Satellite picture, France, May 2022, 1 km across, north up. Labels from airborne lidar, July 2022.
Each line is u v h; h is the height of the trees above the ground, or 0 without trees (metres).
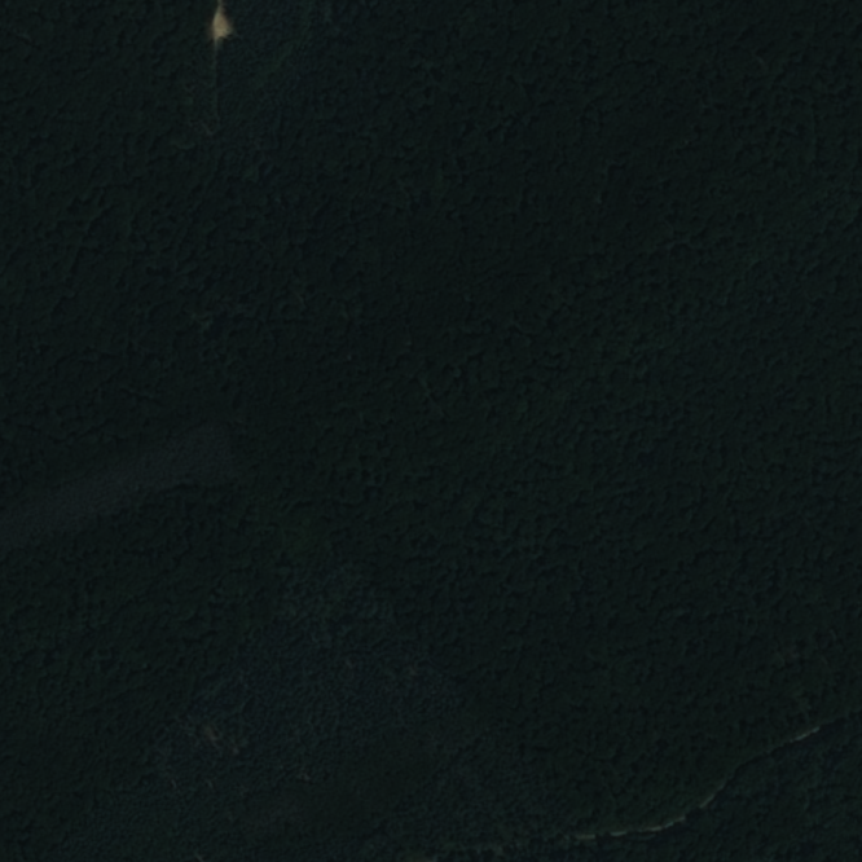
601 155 19
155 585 28
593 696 25
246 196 25
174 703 20
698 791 20
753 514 33
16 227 27
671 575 26
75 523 22
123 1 28
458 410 26
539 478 25
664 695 20
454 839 24
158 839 18
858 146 19
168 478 22
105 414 23
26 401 22
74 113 23
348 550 20
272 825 19
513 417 23
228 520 25
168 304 26
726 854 22
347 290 23
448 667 24
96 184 24
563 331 25
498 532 22
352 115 22
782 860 28
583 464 24
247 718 21
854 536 29
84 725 23
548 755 26
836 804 23
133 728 24
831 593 27
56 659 25
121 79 22
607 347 25
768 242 24
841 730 25
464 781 28
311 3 20
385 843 24
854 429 29
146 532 25
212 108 13
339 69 24
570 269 25
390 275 20
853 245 25
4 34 22
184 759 17
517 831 24
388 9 28
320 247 25
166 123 25
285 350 25
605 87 22
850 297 25
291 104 17
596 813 19
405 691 16
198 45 18
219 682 26
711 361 25
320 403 20
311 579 19
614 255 29
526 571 27
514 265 23
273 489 26
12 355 25
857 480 27
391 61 27
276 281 24
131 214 22
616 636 26
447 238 25
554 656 25
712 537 29
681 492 23
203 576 27
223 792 18
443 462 19
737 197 22
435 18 23
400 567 30
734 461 22
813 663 24
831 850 20
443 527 23
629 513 25
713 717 21
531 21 24
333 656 27
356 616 20
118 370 26
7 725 24
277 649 20
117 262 26
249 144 16
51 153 26
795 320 27
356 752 15
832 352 25
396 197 26
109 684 25
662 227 26
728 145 21
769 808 27
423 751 18
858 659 30
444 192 25
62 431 23
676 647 28
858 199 25
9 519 19
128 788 16
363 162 23
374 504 25
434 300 20
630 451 29
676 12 25
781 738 21
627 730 23
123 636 24
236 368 23
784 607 26
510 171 23
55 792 21
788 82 23
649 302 25
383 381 25
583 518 26
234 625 23
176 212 26
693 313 22
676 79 20
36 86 25
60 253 26
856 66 27
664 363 29
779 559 26
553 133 23
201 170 26
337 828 18
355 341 19
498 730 24
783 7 21
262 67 25
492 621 29
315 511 23
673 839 21
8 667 22
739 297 22
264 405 16
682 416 22
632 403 17
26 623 27
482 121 27
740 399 23
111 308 22
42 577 22
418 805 28
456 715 16
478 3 23
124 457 20
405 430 22
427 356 22
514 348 27
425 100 29
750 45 25
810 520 24
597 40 23
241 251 26
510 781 30
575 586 27
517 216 24
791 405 26
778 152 15
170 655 21
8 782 24
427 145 27
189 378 23
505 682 25
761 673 24
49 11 25
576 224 19
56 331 24
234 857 20
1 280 27
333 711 27
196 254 23
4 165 23
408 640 19
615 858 23
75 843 13
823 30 22
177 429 19
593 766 22
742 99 24
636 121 22
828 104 25
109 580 25
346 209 19
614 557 22
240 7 19
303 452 23
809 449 25
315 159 24
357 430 24
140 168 24
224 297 26
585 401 25
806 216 27
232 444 17
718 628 30
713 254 25
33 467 22
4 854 23
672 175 18
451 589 26
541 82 23
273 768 16
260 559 25
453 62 24
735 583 27
